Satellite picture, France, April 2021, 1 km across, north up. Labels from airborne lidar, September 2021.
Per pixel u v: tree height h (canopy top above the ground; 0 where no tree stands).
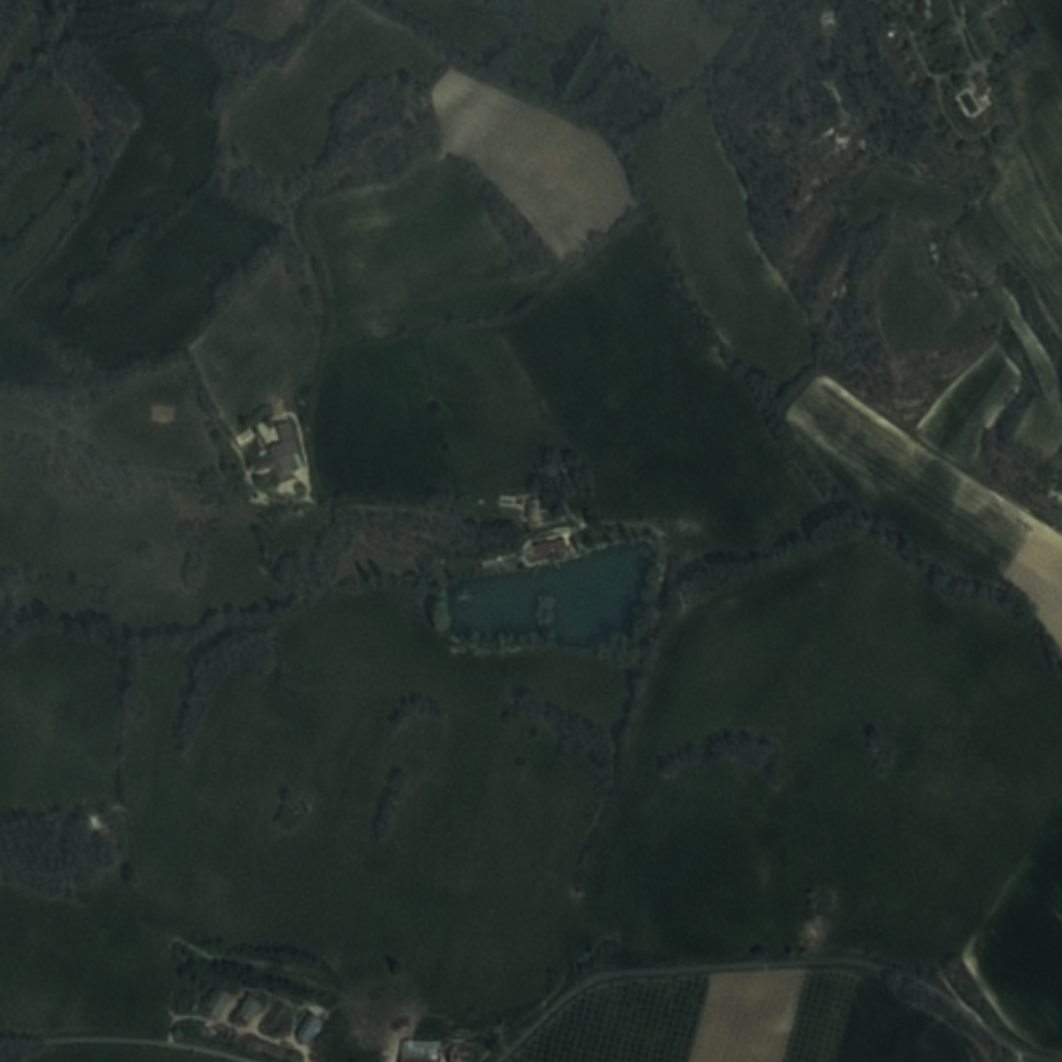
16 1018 0
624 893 0
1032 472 20
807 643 0
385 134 9
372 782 0
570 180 0
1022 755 0
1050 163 0
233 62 10
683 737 0
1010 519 0
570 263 12
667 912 0
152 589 0
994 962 0
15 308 0
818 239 7
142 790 0
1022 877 0
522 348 0
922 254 0
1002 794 0
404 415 0
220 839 0
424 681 0
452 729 0
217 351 0
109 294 0
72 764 0
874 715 0
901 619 0
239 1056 0
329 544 17
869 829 0
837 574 0
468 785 0
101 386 14
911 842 0
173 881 0
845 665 0
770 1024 0
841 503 13
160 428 0
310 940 0
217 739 0
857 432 0
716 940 0
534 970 0
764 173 14
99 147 13
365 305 0
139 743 0
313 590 20
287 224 8
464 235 0
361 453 0
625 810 0
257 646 19
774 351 0
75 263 0
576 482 19
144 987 0
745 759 15
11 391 11
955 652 0
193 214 0
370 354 0
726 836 0
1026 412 10
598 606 0
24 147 14
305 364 0
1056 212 0
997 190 0
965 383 0
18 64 0
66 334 0
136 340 0
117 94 15
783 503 0
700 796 0
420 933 0
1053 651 15
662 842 0
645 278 0
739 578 27
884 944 0
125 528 0
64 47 9
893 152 8
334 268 0
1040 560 0
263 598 0
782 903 0
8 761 0
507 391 0
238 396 0
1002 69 15
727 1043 0
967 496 0
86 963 0
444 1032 0
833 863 0
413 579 13
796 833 0
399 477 0
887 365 5
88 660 0
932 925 0
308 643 0
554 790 0
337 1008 0
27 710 0
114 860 21
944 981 12
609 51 27
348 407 0
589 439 0
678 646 0
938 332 0
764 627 0
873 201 0
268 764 0
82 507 0
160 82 0
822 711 0
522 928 0
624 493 0
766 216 10
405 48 0
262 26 0
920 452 0
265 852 0
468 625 0
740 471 0
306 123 0
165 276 0
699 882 0
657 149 0
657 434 0
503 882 0
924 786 0
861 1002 0
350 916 0
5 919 0
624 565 0
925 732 0
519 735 0
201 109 0
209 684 19
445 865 0
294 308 0
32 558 0
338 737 0
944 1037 0
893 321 0
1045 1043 0
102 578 0
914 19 8
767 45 13
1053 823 0
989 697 0
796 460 18
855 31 13
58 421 11
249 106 0
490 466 0
